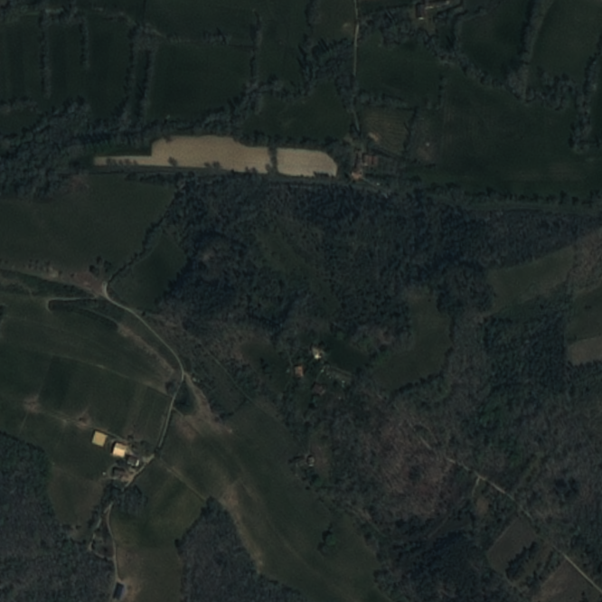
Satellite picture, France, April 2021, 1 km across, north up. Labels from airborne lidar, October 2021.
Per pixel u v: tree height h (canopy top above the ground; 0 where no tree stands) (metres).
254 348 0
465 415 22
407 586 21
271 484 0
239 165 0
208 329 23
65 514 0
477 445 12
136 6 0
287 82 0
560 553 13
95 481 0
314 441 0
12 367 0
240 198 14
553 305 8
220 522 16
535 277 0
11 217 0
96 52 0
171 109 0
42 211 0
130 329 0
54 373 0
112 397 0
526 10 0
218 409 16
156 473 0
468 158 0
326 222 10
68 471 0
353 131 8
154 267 0
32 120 0
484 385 21
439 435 18
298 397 0
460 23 16
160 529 0
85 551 18
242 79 0
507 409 20
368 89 0
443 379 15
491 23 0
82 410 0
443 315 16
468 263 8
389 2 0
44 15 17
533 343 22
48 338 0
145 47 21
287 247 0
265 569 0
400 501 12
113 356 0
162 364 0
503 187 0
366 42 0
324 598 0
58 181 12
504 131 0
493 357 26
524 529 0
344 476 8
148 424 0
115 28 0
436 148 0
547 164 0
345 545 0
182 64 0
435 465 13
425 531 13
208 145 0
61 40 0
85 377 0
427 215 12
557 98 18
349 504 17
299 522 0
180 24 0
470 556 25
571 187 0
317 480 17
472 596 22
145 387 0
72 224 0
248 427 0
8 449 20
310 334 9
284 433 0
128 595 0
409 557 12
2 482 21
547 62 0
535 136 0
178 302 19
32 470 23
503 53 0
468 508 12
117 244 0
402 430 15
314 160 0
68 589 12
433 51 12
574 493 13
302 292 7
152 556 0
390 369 0
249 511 0
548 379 22
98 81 0
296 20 0
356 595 0
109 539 19
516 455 13
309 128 0
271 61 0
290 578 0
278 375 0
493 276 0
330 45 0
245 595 17
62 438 0
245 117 17
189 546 17
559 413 19
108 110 0
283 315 7
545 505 18
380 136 0
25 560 16
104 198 0
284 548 0
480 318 17
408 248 6
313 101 0
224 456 0
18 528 22
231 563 19
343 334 15
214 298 23
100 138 19
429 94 0
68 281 0
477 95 0
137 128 16
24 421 0
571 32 0
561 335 22
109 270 8
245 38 0
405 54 0
